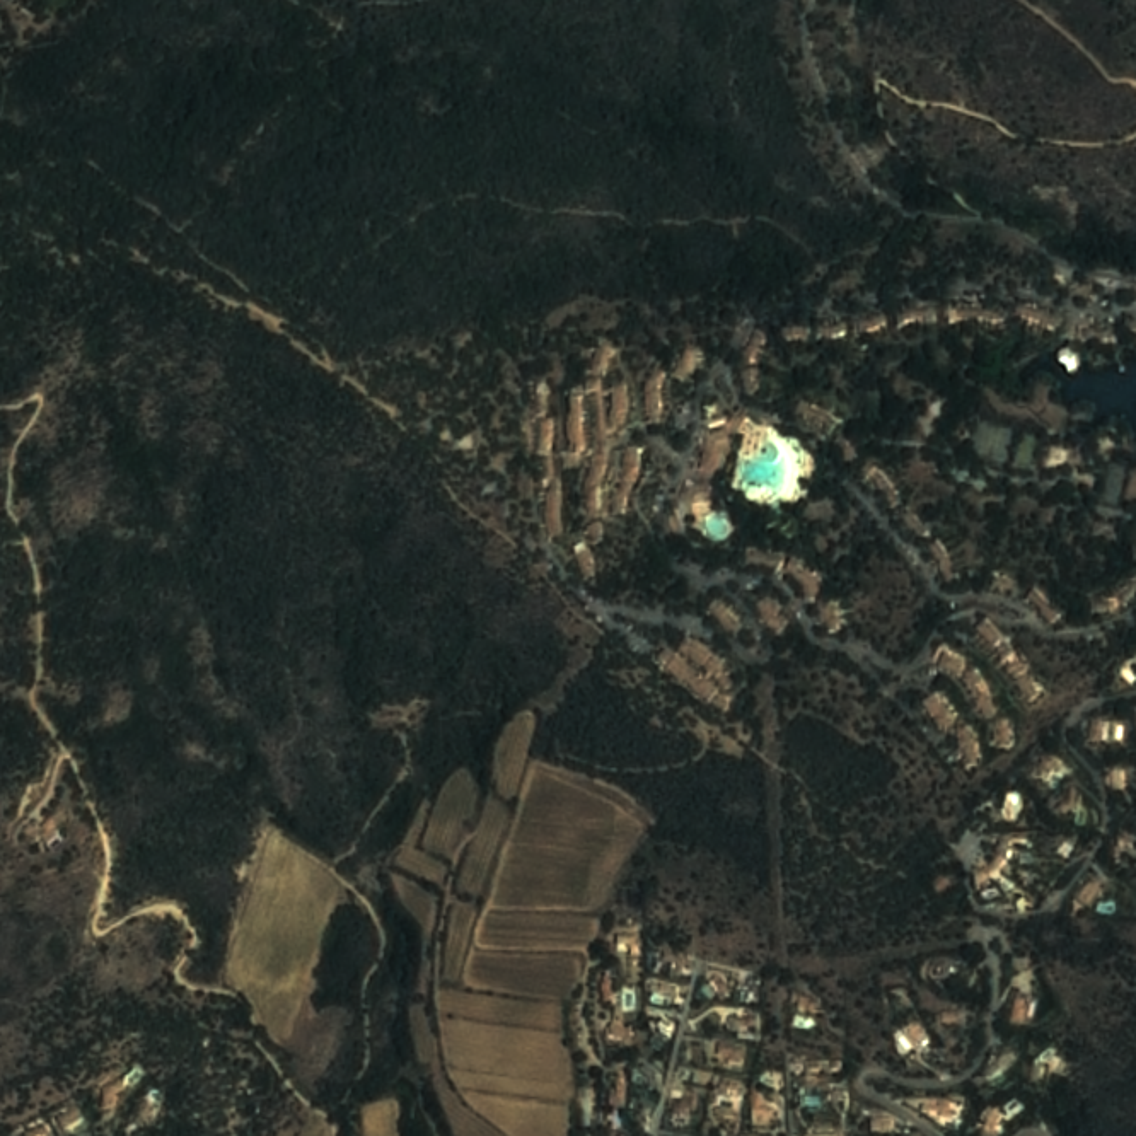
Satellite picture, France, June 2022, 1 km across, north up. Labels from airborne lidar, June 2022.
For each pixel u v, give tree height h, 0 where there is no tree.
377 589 7
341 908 7
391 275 9
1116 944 6
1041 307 7
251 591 6
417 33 7
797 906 6
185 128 11
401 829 5
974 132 0
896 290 13
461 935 0
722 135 7
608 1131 10
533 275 9
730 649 8
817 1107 0
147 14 7
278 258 8
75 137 8
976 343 7
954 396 12
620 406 0
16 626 6
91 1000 6
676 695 7
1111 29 9
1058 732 10
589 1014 7
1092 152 0
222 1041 7
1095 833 8
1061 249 11
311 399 8
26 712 6
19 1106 7
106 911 7
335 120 9
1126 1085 6
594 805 0
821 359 8
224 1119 8
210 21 12
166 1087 6
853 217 8
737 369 7
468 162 7
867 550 9
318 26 8
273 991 0
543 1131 0
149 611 9
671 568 13
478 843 0
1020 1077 6
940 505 8
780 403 12
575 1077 0
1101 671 7
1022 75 0
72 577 14
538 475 9
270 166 9
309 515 6
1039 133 7
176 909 0
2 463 0
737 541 10
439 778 6
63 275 8
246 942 0
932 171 7
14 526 8
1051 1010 0
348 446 7
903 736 6
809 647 7
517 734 0
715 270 9
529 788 0
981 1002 9
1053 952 6
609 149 7
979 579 10
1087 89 0
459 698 7
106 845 0
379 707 9
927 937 6
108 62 7
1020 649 9
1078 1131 12
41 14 7
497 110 8
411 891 0
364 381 5
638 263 6
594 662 7
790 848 7
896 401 15
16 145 7
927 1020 7
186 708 6
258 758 8
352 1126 8
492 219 11
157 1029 7
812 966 0
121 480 6
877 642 8
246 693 5
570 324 9
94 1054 6
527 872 0
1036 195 7
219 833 8
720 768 6
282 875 0
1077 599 8
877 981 9
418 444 7
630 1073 7
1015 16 7
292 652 5
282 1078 7
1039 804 6
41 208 7
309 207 9
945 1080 0
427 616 8
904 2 0
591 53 7
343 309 7
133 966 0
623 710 7
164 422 6
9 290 8
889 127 7
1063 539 10
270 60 14
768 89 7
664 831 9
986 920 9
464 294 6
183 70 7
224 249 8
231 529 6
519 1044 0
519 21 10
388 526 7
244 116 7
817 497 11
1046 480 7
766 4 5
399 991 6
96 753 9
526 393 7
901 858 7
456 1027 0
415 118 9
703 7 10
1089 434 11
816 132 7
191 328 8
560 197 8
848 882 8
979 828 6
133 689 7
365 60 11
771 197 6
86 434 10
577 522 8
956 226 0
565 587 6
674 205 6
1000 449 0
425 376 9
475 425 8
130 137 8
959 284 11
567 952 0
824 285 8
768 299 10
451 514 6
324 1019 0
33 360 6
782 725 6
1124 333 13
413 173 10
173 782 6
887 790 6
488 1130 0
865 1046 8
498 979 0
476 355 7
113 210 7
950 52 6
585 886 0
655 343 11
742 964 10
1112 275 0
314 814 5
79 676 7
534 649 6
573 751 8
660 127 13
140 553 6
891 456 9
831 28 7
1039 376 8
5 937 0
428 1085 8
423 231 6
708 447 0
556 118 6
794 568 0
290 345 6
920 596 7
